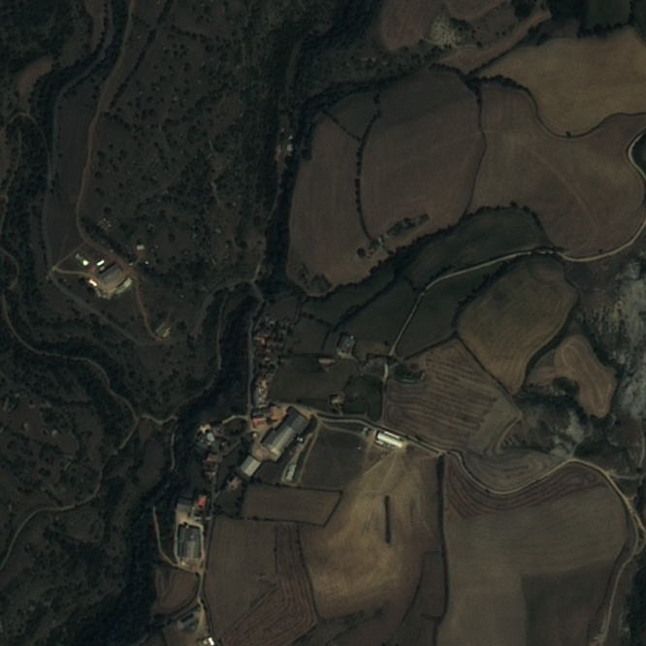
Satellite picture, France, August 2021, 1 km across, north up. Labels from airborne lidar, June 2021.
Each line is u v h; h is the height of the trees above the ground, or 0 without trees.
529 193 0
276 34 9
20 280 8
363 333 0
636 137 0
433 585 0
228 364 6
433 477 0
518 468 0
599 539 0
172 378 7
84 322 7
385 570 0
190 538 0
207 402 12
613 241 0
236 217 0
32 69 0
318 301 9
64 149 0
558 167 0
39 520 0
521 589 0
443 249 0
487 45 0
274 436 0
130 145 0
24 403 0
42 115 6
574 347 0
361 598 0
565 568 0
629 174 0
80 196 0
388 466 0
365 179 0
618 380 6
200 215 6
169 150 0
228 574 0
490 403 0
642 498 8
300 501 0
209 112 7
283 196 9
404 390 0
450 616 0
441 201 0
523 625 0
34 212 9
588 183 0
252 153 7
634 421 0
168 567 0
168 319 0
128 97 0
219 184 6
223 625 0
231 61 0
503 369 0
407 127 0
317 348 0
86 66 8
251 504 0
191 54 0
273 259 19
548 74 0
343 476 0
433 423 0
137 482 11
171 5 7
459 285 0
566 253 0
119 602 13
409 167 0
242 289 8
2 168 0
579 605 0
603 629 0
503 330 0
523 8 14
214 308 10
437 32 0
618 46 0
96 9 0
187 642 0
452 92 0
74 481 8
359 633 0
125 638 7
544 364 0
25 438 6
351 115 0
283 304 0
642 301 0
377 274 10
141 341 0
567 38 0
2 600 8
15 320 6
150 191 0
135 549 11
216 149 7
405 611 0
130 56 0
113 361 9
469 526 0
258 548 0
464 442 0
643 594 15
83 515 0
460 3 0
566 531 0
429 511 0
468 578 0
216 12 0
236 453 0
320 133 0
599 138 0
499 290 0
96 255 0
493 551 0
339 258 0
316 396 0
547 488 0
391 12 0
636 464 0
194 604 0
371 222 0
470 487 0
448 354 0
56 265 0
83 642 15
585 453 0
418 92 0
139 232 0
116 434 7
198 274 7
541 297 0
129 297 0
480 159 0
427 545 0
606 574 0
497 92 0
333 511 0
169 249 0
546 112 0
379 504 0
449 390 0
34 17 6
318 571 0
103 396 9
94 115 0
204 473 7
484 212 8
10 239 9
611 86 0
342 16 7
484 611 0
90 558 8
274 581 0
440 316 0
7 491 0
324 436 0
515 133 0
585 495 0
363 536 0
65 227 0
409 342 0
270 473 0
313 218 0
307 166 0
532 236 0
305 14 6
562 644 0
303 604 0
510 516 0
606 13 0
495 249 0
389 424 0
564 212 0
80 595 9
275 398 0
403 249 14
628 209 0
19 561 0
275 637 0
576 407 9
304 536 0
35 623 6
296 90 6
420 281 0
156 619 8
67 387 8
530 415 0
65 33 6
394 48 0
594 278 0
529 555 0
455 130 0
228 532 0
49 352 9
